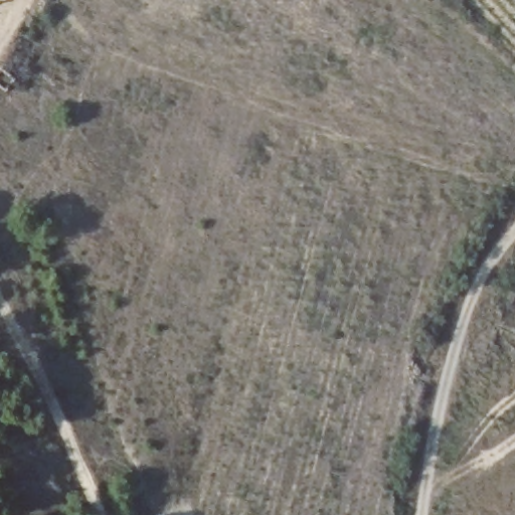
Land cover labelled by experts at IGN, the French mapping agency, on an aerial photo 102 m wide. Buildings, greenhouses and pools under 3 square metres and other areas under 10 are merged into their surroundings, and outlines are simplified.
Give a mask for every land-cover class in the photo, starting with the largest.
<instances>
[{"label":"agricultural land","instance_id":"1","mask_svg":"<svg viewBox=\"0 0 515 515\"><path fill-rule=\"evenodd\" d=\"M32 4V10L24 14V22H30L34 14L46 10L56 28L44 34L40 26H34L30 22V26L34 28V40L46 42L44 54H62L72 58L80 74L70 76L64 68L60 70L62 80H54L52 76H46L42 72L40 56L34 54L28 64V78H24L20 70L10 72L8 68H4L2 60H0V274L10 270H22L24 266L56 274V284L62 292L60 316L64 318V326L76 324V334L66 336L64 346H58L56 338H52L50 342L36 340L34 346L38 348L36 352L40 358V366L34 370L30 368L28 374L40 380L42 392L48 400L54 396L58 398L62 414L72 424L74 437L80 445V453L84 457L87 467L93 473L97 487L101 483H109V493L113 501H117L125 493L119 491V487L127 483L129 471H133L135 467L165 469L167 485L163 487V491L171 499L169 503H179L181 499H187L191 503V509L201 511L203 515H414L418 485L422 481V471L428 459L426 443L428 428L433 426V402L441 372H418L416 364L412 362V326L424 314L426 306L437 304L435 282L439 270H443V266L449 262L463 268V239H475V233L467 231V227L475 225L481 229V223L485 219L475 209L485 207V195L493 193L495 185L507 189L515 181V80L503 82L499 76H495L493 64L499 62L503 52H499L497 46L485 34H481L475 28V24L465 20L463 12L455 10L447 0H28ZM62 105L66 109L68 121V129L64 133L52 131L50 127V107L60 109ZM20 197L26 201L38 199L36 205L52 215V223L46 229V233L54 235L56 243L46 247V264L30 260L28 251L14 239V235L6 227V215L12 207V201L20 203ZM398 428L416 433L418 441L410 457V475L406 477L404 493L390 495L384 489V469L388 467V459H382V441L384 437L398 435Z\"/></svg>","mask_w":515,"mask_h":515},{"label":"deciduous trees","instance_id":"2","mask_svg":"<svg viewBox=\"0 0 515 515\"><path fill-rule=\"evenodd\" d=\"M30 22L34 26H40L44 34L56 28L46 10L34 14ZM50 127L52 131L64 133L68 129V121L66 109L62 105L60 109L50 107ZM38 199L26 201L20 197V203L12 201V207L6 215V227L14 235V239L28 251L30 260L46 264V247L56 243L54 235L46 233V229L52 223V215L36 205ZM0 290L10 304L12 316L26 334H42L50 330L52 338H56L58 346H64L66 336L76 334V324L64 326V318L60 316L62 292L56 284V274L24 266L22 270H10L0 274ZM30 368L28 362L18 354L10 334H0V441L10 426H16L24 428V433L40 449L52 451L54 455L48 459V463L40 465L36 471L52 491H58L66 499L60 505H50L44 509H38V505L42 503L40 499L16 501L8 489L10 477L6 473H0V515H157L169 503L171 499L163 491V487L167 485L165 469L135 467L133 471H129L127 483L119 487V491L125 493L117 501H113L109 493V483H101L97 487V501L87 499L84 489L76 477V467L70 461L68 447L60 437V426L52 418L48 400L42 392L40 380L28 374ZM418 441L416 433L398 428V435L384 437L382 441V459H388V467L384 469V489L390 495L404 493L406 477L410 475V457Z\"/></svg>","mask_w":515,"mask_h":515},{"label":"herbaceous vegetation","instance_id":"3","mask_svg":"<svg viewBox=\"0 0 515 515\"><path fill-rule=\"evenodd\" d=\"M489 286H483V296L473 312L449 398V410L445 418V426L449 428V433L445 435V439H441V451L437 453L439 459L435 467V471H449L453 465L473 461L483 451L493 449L495 445L503 443L507 437L515 433V406L501 414V420L489 428L481 443H473V437L481 428L479 418L485 412H489V408L497 400L509 396L515 390V243L509 247L507 258L489 272ZM54 455L52 451L40 449L24 433V428L16 426H10L0 441V473H6L10 477L8 489L16 501L40 499L42 503L38 505V509H44L50 505H60L66 499L58 491H52L36 471L40 465L48 463V459ZM428 515H515V451L505 455L493 467L475 469L471 475L451 483L441 495L431 499Z\"/></svg>","mask_w":515,"mask_h":515},{"label":"brushwood","instance_id":"4","mask_svg":"<svg viewBox=\"0 0 515 515\"><path fill-rule=\"evenodd\" d=\"M455 10L463 12L465 20L475 24V28L481 34H485L497 46L499 52H503L499 62L493 64L495 76H499L503 82L515 80V46L503 36L501 24L489 22L485 14L477 8L479 0H447ZM46 42L34 40V28L30 26V22H24L20 24L2 60L4 68H8L10 72L20 70L24 78H28V64L34 54L40 56L42 72L46 76H52L54 80H62L60 70L64 68L70 76L80 74L72 58L62 54H44ZM485 219L481 223V229L475 225L467 227V231L475 233V239H463V268L449 262L443 266V270H439L435 282L437 304L426 306L424 314L412 326V362L416 364L418 372H441L449 344L455 334L463 300L477 288L475 274L485 266L487 258L499 247L501 237L515 221V181L507 189L495 185L493 193L485 195V207L475 209Z\"/></svg>","mask_w":515,"mask_h":515},{"label":"pervious surface","instance_id":"5","mask_svg":"<svg viewBox=\"0 0 515 515\"><path fill-rule=\"evenodd\" d=\"M515 243V221L501 237L499 247L487 258L485 266L475 274L477 288L463 300L455 334L449 344L441 372L433 402V426L428 428L426 443L428 459L422 471V481L418 485L414 515H428L431 499L441 495L451 483L471 475L475 469L493 467L505 455L515 451V433L507 437L503 443L495 445L493 449L483 451L473 461L453 465L449 471H435V467L439 459L437 453L441 451V439H445V435L449 433V428L445 426V418L449 410V398L473 312L483 296V286H489V272L507 258L509 247ZM10 334L18 354L28 362L30 368L34 370L40 366V358L36 352L38 348L34 346L36 340L50 342L52 338L50 330L42 334H26L12 316L10 304L0 290V334ZM515 406V390L509 396L497 400L489 408V412H485L479 418L481 428L473 437V443H481L489 428L501 420V414ZM52 418L60 426V437L68 447L70 461L76 467V477L84 489L87 499L97 501V487L93 473L87 467L84 457L80 453V445L74 437L72 424L62 414L58 398L54 396L48 400ZM157 515H203L201 511L191 509V503L187 499H181L179 503H169Z\"/></svg>","mask_w":515,"mask_h":515},{"label":"plowed land","instance_id":"6","mask_svg":"<svg viewBox=\"0 0 515 515\"><path fill-rule=\"evenodd\" d=\"M32 10V4L28 0H0V60H2L20 24L24 22V14Z\"/></svg>","mask_w":515,"mask_h":515},{"label":"vineyard","instance_id":"7","mask_svg":"<svg viewBox=\"0 0 515 515\"><path fill-rule=\"evenodd\" d=\"M477 8L485 14L489 22L501 24L503 36L515 46V0H479Z\"/></svg>","mask_w":515,"mask_h":515}]
</instances>
